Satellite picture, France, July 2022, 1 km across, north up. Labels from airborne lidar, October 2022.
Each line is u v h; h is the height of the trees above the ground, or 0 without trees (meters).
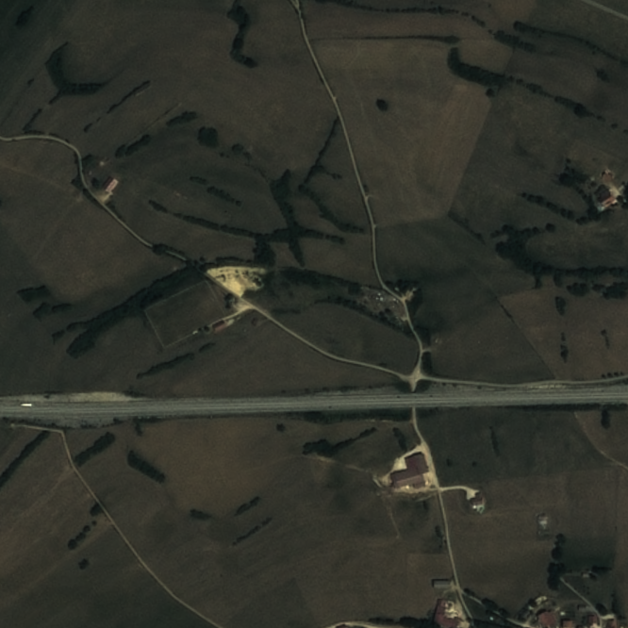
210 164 0
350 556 0
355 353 0
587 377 0
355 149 0
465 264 0
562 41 0
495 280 0
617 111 0
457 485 0
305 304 0
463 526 0
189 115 6
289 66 0
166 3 0
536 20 0
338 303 6
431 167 0
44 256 0
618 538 0
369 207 0
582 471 0
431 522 0
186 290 0
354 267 0
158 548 0
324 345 0
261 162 0
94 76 0
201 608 0
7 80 0
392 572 0
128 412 0
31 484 0
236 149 8
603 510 0
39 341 0
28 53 0
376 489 0
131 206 0
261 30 0
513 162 0
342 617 0
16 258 0
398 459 0
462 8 0
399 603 0
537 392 0
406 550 0
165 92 0
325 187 0
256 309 0
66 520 0
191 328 0
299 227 9
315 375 0
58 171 0
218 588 0
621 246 0
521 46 6
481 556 0
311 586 0
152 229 0
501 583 0
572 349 0
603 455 0
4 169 0
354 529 0
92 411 0
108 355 0
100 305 0
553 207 13
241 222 0
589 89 0
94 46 0
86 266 0
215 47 0
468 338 0
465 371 0
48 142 0
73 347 8
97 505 8
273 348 0
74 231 0
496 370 0
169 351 0
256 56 0
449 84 0
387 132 0
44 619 0
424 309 0
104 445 7
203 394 0
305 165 0
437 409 8
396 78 0
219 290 0
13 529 0
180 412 0
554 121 0
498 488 0
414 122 0
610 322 0
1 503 0
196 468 0
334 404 0
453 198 0
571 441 0
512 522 0
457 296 0
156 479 8
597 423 0
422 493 0
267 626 0
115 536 0
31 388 0
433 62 0
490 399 0
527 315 0
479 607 0
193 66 0
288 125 0
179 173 0
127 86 0
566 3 0
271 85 0
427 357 9
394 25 0
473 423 0
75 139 0
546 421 0
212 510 0
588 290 12
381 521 0
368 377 0
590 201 11
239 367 0
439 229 0
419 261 0
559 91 0
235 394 0
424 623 16
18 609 0
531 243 0
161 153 0
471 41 0
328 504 0
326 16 0
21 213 0
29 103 0
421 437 0
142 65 0
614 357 0
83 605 0
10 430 0
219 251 0
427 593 0
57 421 0
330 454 8
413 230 0
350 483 0
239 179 0
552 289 0
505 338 0
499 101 0
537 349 0
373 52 0
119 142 0
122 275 0
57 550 0
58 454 0
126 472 0
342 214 0
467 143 0
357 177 0
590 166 0
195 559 0
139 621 0
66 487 0
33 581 0
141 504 0
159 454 0
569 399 0
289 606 0
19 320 0
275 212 0
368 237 0
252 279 0
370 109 0
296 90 0
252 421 0
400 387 0
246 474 0
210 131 6
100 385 0
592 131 0
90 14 0
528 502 0
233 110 0
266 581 0
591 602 0
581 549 0
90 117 0
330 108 0
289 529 0
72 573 0
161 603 0
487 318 0
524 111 0
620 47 0
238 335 0
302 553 0
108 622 0
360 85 0
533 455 0
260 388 0
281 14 0
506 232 10
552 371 0
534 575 0
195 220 7
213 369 0
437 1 0
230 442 0
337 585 0
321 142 0
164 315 0
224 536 0
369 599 0
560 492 0
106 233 0
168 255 7
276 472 0
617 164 0
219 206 0
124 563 0
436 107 0
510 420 0
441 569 0
